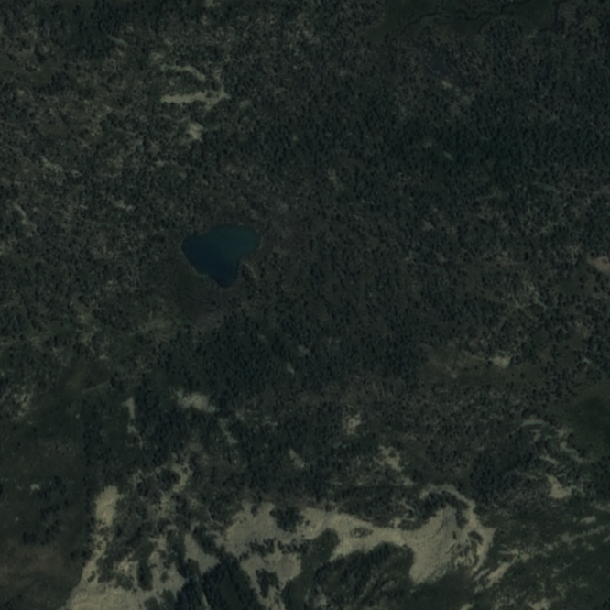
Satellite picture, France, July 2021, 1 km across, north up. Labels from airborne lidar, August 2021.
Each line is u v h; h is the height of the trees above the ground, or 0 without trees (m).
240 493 6
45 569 0
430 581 0
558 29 0
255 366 12
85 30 11
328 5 17
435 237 7
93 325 0
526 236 13
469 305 13
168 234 0
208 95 7
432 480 0
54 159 9
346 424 0
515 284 12
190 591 9
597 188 6
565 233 6
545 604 0
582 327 0
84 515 0
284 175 11
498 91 11
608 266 0
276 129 12
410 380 14
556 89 11
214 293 0
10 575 0
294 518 8
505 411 11
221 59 15
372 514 9
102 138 0
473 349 10
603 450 0
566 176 10
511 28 7
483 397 13
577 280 0
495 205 9
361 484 0
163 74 11
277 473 10
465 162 7
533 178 6
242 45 7
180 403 0
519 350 10
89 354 7
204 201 13
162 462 10
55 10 8
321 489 9
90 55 7
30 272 12
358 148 15
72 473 0
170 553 0
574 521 0
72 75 0
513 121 12
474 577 0
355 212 10
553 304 12
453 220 8
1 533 0
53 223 11
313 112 9
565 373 11
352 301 7
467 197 10
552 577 0
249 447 10
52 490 6
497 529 0
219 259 0
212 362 7
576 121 11
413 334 8
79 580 0
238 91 18
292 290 0
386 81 8
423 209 8
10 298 8
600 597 0
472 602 0
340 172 11
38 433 9
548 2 0
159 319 0
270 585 6
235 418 9
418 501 10
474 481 11
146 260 11
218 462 0
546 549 0
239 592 9
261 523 0
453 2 0
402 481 0
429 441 0
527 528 0
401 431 10
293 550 7
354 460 8
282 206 0
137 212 15
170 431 9
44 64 0
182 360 0
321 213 11
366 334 12
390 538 0
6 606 7
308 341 12
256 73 10
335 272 7
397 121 8
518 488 8
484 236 9
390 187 10
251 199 14
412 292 6
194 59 11
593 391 0
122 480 7
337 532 0
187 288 6
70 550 0
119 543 0
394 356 11
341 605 8
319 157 8
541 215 15
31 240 15
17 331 14
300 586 0
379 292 8
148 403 11
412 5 0
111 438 0
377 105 15
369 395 9
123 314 13
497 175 6
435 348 12
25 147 6
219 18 18
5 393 7
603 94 9
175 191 11
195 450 0
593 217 14
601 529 0
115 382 15
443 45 10
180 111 8
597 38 6
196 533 9
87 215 10
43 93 10
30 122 8
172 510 0
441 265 13
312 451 0
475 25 0
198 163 10
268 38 14
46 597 0
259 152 15
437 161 8
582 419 0
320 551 0
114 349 6
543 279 8
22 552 0
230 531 0
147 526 8
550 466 8
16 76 7
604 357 10
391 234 7
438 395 6
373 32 0
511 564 0
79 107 9
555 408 0
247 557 7
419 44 0
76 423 0
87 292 12
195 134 0
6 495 11
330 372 10
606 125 13
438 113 8
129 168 9
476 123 9
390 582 6
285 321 12
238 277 8
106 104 0
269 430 9
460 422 14
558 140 12
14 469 0
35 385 0
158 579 0
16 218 9
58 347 10
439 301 11
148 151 16
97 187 17
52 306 13
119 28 10
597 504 0
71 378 0
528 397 11
